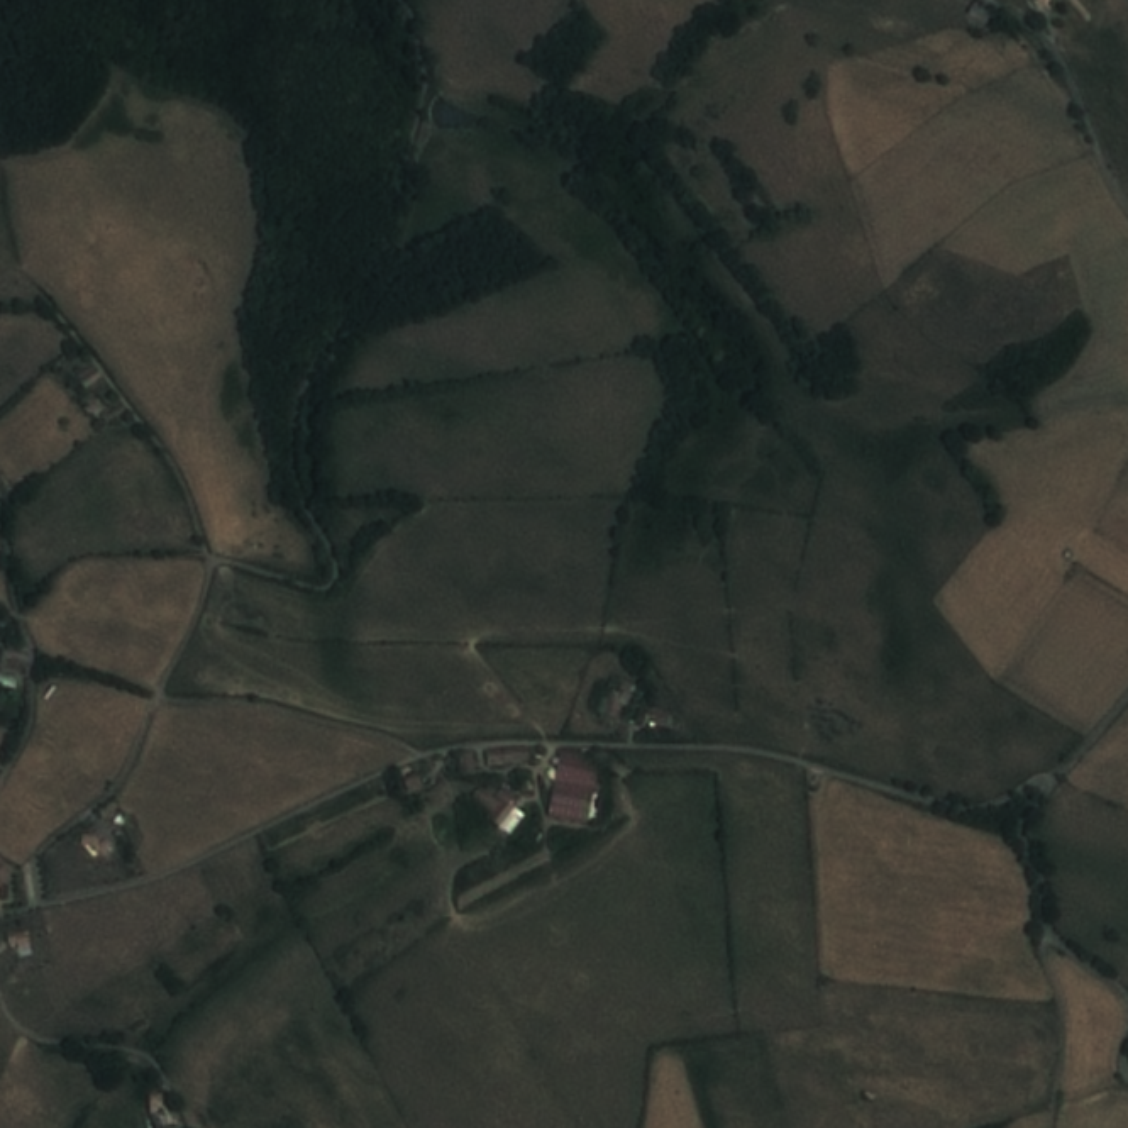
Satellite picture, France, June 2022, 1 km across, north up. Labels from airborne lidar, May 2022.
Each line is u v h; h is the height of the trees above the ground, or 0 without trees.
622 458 0
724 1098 0
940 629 0
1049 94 0
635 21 0
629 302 0
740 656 0
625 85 0
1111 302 0
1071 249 0
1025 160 0
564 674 0
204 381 0
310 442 8
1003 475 0
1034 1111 0
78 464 0
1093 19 0
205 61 12
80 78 10
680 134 12
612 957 0
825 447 0
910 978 0
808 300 0
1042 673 0
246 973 0
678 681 0
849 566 0
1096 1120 0
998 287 0
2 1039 0
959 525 0
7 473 0
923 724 0
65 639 0
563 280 0
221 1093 0
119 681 8
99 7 10
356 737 0
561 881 0
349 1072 0
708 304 6
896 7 0
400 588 0
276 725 0
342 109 19
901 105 0
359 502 11
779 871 0
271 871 14
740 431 0
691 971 0
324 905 0
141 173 0
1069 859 0
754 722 0
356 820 0
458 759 12
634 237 19
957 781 0
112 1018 0
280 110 13
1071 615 0
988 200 0
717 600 0
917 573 0
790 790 0
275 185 16
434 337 0
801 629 0
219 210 0
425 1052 0
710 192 0
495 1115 0
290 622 0
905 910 0
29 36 15
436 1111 0
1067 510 0
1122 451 0
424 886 0
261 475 0
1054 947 0
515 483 0
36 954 0
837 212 0
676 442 16
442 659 0
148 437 13
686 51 14
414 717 0
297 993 0
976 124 0
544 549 0
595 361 0
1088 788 0
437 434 0
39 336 0
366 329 21
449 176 0
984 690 0
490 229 16
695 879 0
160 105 0
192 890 0
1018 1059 0
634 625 0
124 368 0
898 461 0
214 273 0
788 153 0
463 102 0
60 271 0
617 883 0
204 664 0
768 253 0
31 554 0
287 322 23
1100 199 0
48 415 0
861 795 0
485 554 0
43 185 0
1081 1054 0
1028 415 6
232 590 0
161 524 0
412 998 0
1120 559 0
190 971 0
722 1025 0
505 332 0
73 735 0
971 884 0
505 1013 0
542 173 0
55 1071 0
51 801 0
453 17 0
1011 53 0
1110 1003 0
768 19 0
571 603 0
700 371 22
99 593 0
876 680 0
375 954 0
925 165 0
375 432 0
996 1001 0
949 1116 0
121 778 0
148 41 15
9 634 11
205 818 0
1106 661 0
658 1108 0
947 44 0
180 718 0
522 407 0
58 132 13
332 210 21
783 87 0
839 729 0
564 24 8
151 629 0
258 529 0
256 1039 0
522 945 0
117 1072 16
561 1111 0
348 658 0
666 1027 0
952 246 0
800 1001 0
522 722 0
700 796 0
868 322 0
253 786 0
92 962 0
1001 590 0
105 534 0
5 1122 0
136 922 0
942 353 0
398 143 19
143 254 0
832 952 0
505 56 0
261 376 19
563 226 0
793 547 0
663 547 0
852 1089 0
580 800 0
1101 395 0
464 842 0
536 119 14
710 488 0
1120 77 0
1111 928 15
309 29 13
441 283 18
